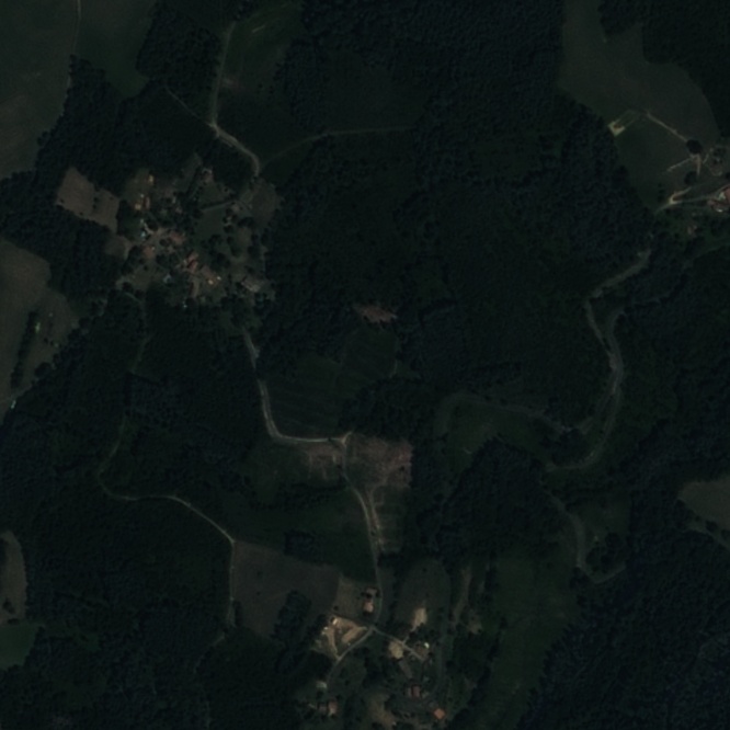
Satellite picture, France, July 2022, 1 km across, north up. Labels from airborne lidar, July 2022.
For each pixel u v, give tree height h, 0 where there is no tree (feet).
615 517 0
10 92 0
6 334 0
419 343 79
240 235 0
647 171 0
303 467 0
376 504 0
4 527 77
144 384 104
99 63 0
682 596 86
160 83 64
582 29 0
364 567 0
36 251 31
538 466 77
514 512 51
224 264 51
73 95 31
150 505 24
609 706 24
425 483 90
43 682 34
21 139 0
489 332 18
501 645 62
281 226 54
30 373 0
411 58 46
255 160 0
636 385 25
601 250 81
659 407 23
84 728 42
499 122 55
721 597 60
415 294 74
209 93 34
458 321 67
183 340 37
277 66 27
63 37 0
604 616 92
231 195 24
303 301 37
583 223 76
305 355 76
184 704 81
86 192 0
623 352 25
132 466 29
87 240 75
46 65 0
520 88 100
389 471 0
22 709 38
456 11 104
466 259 24
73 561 33
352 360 0
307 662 30
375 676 78
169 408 51
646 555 105
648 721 84
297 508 30
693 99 0
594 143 82
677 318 64
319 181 69
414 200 72
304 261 26
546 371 18
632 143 0
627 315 40
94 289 54
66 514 35
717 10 30
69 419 24
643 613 46
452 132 62
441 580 0
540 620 0
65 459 24
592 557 33
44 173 51
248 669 31
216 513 25
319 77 45
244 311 26
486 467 37
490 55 105
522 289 22
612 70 0
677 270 61
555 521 49
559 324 21
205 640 62
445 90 30
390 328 75
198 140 20
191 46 33
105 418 27
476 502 56
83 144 45
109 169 42
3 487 80
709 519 0
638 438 23
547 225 32
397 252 31
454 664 60
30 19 0
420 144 52
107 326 41
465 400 0
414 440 49
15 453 102
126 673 87
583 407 19
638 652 19
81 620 23
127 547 40
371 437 55
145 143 70
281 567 0
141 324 61
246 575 0
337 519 0
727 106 30
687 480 58
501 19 98
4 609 29
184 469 35
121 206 25
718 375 82
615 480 91
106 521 42
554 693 78
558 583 0
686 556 88
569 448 69
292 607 66
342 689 0
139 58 40
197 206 28
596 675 56
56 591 20
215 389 33
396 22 81
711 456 91
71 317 0
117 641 66
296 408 0
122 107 33
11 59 0
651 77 0
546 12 83
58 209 50
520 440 0
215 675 69
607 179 94
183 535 27
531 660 0
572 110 25
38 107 0
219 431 23
